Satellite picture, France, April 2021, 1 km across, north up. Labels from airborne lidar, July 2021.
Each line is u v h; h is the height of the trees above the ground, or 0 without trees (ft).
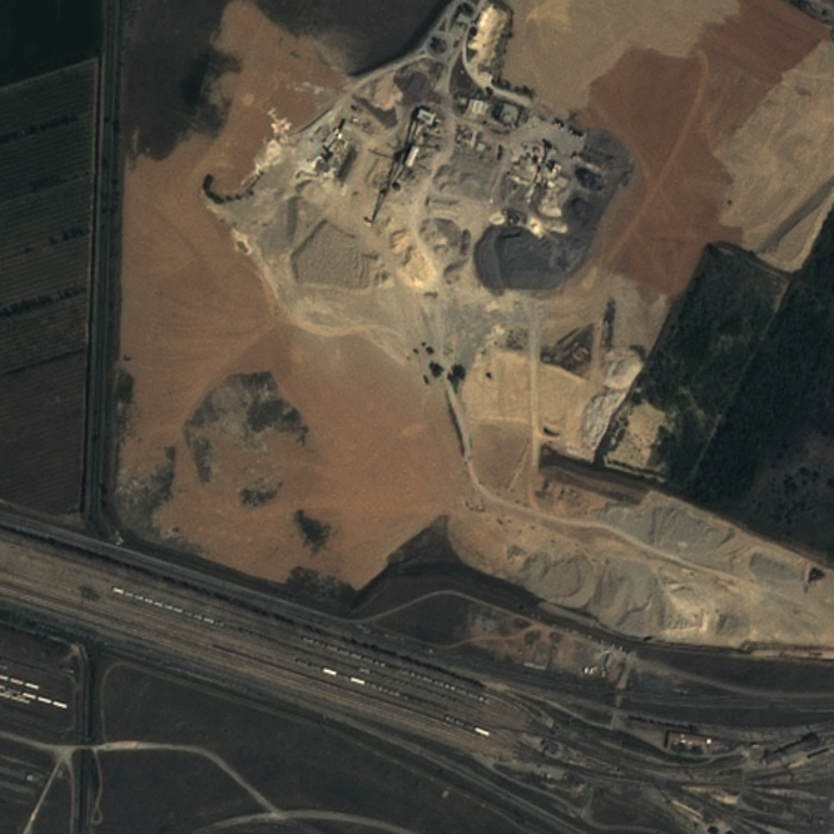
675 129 0
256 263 0
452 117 0
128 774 0
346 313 0
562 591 0
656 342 0
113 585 0
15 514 0
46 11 0
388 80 0
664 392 33
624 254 0
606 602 0
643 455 0
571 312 0
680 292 0
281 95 0
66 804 0
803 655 0
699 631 0
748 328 27
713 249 39
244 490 0
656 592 0
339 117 0
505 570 0
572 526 0
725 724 0
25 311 58
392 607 0
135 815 0
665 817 0
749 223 0
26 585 0
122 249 0
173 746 0
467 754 0
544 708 0
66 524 0
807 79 0
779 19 0
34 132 51
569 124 0
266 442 0
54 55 0
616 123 0
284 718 0
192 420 0
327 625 0
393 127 0
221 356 0
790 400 55
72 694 0
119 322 0
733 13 0
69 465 0
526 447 0
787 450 33
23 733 0
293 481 0
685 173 0
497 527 0
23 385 0
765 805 0
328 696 0
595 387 0
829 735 0
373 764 0
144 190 0
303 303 0
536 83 0
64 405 0
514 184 0
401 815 0
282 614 0
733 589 0
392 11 0
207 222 0
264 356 0
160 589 0
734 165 0
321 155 0
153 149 0
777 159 0
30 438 0
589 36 0
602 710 0
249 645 0
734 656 0
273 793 0
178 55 0
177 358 0
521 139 0
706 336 33
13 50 0
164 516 0
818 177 0
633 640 0
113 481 0
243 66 0
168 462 0
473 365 0
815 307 49
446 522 0
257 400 0
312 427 0
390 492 0
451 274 0
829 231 45
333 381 0
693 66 0
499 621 0
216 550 0
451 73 0
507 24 0
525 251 0
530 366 0
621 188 0
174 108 0
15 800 0
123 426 0
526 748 0
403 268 0
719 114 0
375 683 0
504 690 0
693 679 0
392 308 0
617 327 0
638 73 0
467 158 0
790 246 0
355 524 0
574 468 0
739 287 18
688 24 0
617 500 0
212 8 0
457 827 0
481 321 0
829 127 0
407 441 0
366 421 0
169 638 0
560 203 0
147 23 0
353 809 0
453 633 0
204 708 0
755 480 35
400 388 0
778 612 0
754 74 0
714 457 50
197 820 0
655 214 0
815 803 0
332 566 0
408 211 0
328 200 0
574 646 0
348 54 0
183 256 0
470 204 0
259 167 0
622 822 0
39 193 53
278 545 0
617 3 0
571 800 0
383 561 0
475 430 0
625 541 0
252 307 0
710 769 0
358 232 0
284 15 0
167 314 0
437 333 0
